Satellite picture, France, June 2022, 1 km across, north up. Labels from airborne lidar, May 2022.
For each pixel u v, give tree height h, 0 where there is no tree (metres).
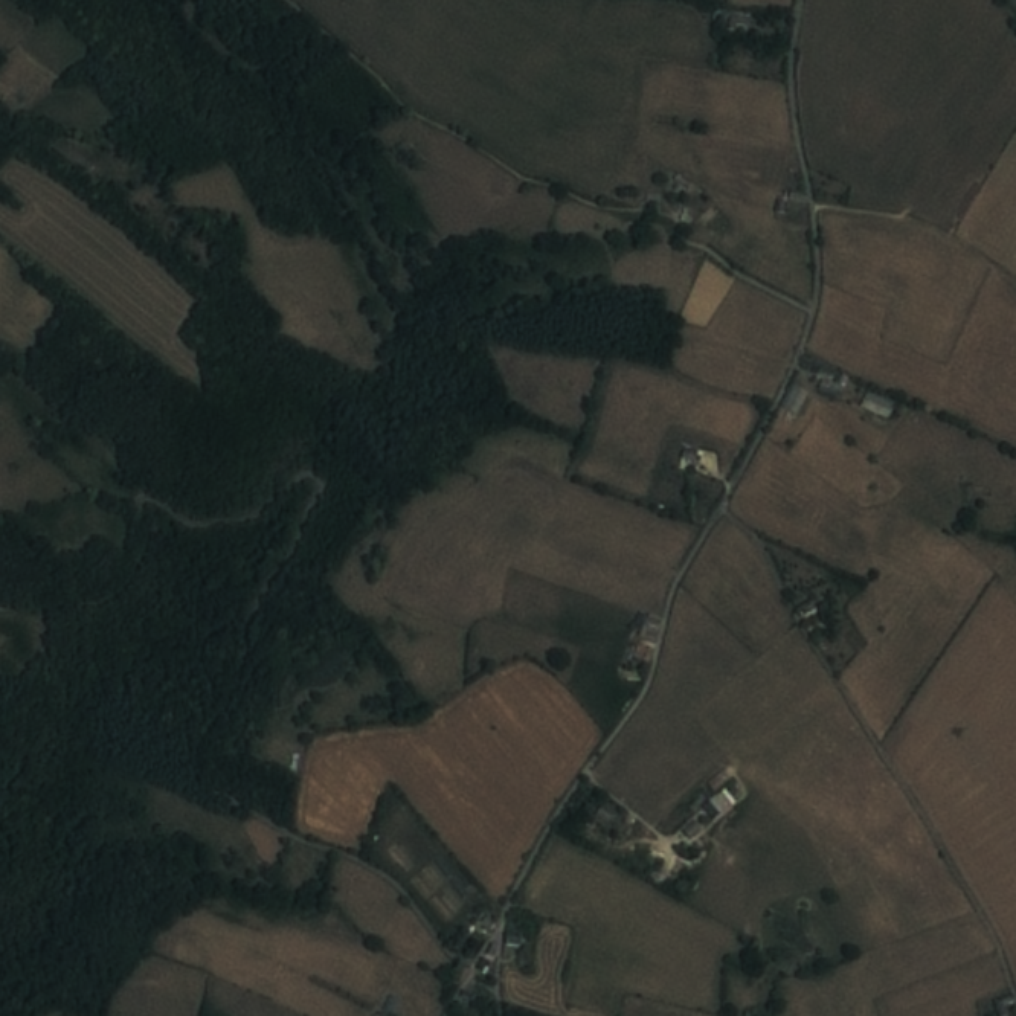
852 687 0
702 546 0
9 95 0
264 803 14
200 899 10
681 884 8
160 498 12
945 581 0
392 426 21
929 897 0
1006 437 0
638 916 0
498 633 0
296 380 18
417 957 0
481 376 10
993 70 0
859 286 0
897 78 0
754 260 0
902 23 0
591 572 0
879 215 0
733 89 0
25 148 16
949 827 0
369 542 0
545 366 0
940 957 0
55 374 18
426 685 0
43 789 20
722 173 0
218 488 8
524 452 0
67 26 11
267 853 0
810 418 0
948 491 0
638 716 0
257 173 20
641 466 0
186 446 9
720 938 0
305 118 21
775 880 0
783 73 7
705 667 0
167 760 18
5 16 0
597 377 10
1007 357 0
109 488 0
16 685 15
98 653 15
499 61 0
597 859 0
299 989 0
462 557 0
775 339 0
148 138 12
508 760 0
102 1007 9
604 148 0
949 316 0
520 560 0
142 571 15
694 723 0
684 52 0
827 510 0
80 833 19
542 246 22
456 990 6
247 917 0
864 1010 0
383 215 19
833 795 0
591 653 0
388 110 10
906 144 0
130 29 14
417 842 0
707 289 0
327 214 24
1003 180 0
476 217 0
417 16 0
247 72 15
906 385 0
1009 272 0
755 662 0
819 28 0
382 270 31
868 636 0
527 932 5
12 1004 14
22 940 12
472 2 0
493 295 18
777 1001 14
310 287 0
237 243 18
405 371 19
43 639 12
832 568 7
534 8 0
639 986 0
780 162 0
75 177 20
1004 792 0
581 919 0
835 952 0
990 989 0
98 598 14
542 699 0
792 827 0
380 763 0
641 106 0
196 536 9
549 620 0
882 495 0
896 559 0
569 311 20
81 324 20
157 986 0
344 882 0
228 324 19
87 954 17
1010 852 0
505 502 0
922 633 0
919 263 0
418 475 17
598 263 0
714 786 0
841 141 0
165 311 0
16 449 0
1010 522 0
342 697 0
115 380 19
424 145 0
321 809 0
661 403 0
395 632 0
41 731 16
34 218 0
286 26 18
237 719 19
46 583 19
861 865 0
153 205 0
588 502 0
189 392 13
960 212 0
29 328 0
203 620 18
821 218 0
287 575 13
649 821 0
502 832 0
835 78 0
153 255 20
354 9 0
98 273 0
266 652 16
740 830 0
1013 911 0
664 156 0
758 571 0
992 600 0
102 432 21
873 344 0
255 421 11
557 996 0
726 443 0
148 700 17
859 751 0
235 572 6
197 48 27
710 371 0
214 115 15
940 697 0
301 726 8
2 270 0
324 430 17
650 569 0
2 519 8
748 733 0
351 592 0
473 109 0
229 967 0
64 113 0
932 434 0
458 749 0
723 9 6
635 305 16
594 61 0
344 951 0
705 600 0
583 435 6
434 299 18
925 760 0
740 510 0
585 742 0
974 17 0
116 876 16
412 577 0
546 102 0
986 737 0
